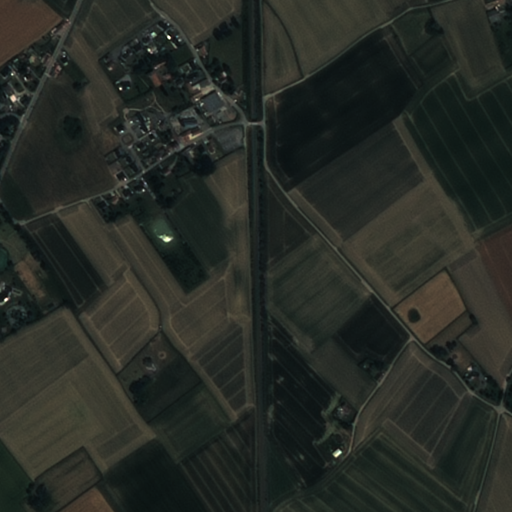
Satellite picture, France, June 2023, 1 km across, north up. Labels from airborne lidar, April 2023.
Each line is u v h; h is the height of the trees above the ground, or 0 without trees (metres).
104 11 0
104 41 0
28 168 0
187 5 0
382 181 0
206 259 0
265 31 0
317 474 0
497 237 0
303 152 0
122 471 0
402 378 0
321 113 0
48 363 0
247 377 0
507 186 0
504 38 0
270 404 0
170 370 0
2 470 0
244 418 0
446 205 0
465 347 0
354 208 0
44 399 0
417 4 0
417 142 0
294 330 0
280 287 0
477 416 0
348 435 0
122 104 0
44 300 0
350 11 0
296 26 0
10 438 0
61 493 0
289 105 0
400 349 0
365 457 0
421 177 0
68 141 0
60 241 0
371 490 0
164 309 0
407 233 0
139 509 0
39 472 0
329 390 0
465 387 0
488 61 0
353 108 0
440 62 0
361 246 0
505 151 0
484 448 0
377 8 0
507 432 0
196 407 0
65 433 0
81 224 0
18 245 0
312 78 0
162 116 0
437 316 0
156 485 0
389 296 0
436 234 0
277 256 0
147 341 0
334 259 0
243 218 0
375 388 0
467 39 0
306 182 0
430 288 0
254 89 0
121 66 0
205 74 6
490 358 0
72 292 0
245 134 0
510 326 0
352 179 0
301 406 0
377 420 0
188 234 0
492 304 0
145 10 0
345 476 0
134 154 0
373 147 0
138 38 0
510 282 0
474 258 0
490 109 0
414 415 0
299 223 0
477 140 0
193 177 0
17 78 0
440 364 0
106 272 0
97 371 0
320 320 0
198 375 0
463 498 0
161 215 0
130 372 0
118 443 0
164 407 0
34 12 0
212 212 0
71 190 0
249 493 0
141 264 0
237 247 0
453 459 0
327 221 0
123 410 0
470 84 0
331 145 0
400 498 0
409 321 0
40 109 0
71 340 0
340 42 0
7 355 0
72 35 0
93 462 0
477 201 0
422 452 0
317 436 0
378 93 0
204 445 0
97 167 0
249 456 0
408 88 0
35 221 0
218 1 0
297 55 0
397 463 0
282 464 0
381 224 0
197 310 0
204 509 0
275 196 0
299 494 0
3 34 0
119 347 0
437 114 0
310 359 0
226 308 0
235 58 0
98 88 0
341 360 0
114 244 0
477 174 0
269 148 0
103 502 0
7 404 0
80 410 0
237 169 0
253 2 0
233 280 0
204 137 0
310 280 0
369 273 0
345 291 0
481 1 0
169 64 16
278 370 0
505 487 0
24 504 0
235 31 0
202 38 0
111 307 0
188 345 0
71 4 0
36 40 0
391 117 0
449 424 0
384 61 0
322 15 0
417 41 0
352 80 0
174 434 0
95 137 0
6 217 13
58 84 0
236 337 0
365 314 0
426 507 0
